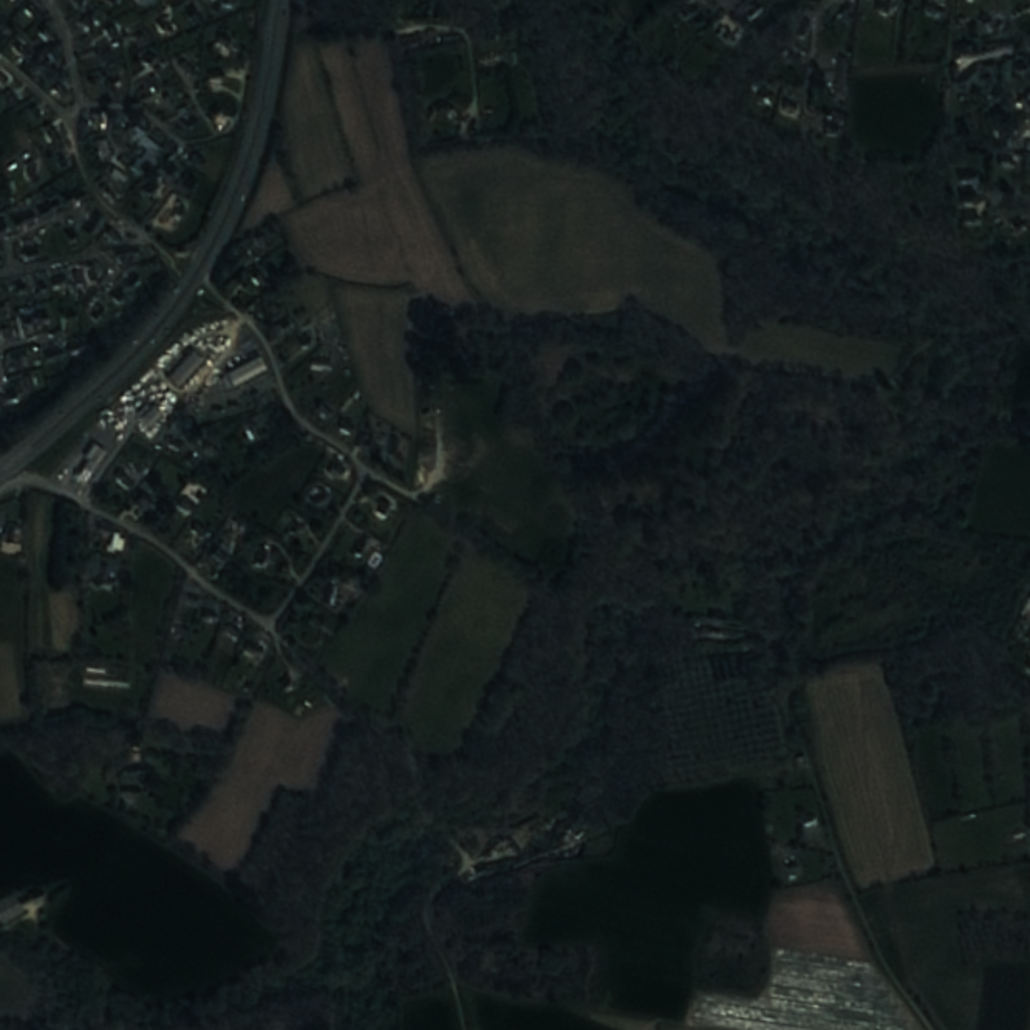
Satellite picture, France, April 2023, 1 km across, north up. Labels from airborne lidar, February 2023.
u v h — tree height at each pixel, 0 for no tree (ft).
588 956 36
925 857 0
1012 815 0
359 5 63
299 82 0
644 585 75
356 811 71
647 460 75
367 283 0
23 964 29
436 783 67
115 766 36
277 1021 51
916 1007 31
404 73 56
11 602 0
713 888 0
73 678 0
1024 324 80
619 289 0
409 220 0
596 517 76
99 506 29
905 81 0
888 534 28
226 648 0
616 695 58
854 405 52
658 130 66
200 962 0
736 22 33
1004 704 50
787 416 48
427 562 0
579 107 87
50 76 25
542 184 0
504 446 0
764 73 29
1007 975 0
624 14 0
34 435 0
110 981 0
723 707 87
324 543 0
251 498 0
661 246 0
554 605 60
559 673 61
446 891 28
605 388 26
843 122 45
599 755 86
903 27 25
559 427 35
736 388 41
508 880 25
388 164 0
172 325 0
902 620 0
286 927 79
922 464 78
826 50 0
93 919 0
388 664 0
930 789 0
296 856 63
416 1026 0
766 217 77
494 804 72
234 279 28
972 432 41
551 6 50
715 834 0
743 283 72
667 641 57
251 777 0
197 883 0
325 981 31
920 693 55
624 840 0
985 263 47
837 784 0
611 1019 0
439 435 0
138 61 23
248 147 0
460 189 0
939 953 0
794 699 39
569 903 0
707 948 0
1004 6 0
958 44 0
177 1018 59
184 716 0
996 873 0
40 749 59
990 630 26
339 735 60
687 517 79
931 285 73
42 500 0
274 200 0
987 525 0
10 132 0
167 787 22
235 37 0
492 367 37
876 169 47
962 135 52
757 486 58
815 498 74
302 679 30
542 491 0
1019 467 0
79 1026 52
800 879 0
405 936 63
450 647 0
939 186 30
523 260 0
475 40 37
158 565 0
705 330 0
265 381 0
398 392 0
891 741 0
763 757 72
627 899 0
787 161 77
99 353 60
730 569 66
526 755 78
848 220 76
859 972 0
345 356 0
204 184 0
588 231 0
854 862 0
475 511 0
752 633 65
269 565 0
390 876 24
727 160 85
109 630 29
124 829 0
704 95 42
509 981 22
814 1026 0
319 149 0
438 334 73
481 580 0
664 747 72
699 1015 0
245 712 33
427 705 0
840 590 0
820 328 63
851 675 0
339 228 0
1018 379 0
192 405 0
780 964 0
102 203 0
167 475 0
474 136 43
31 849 0
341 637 0
